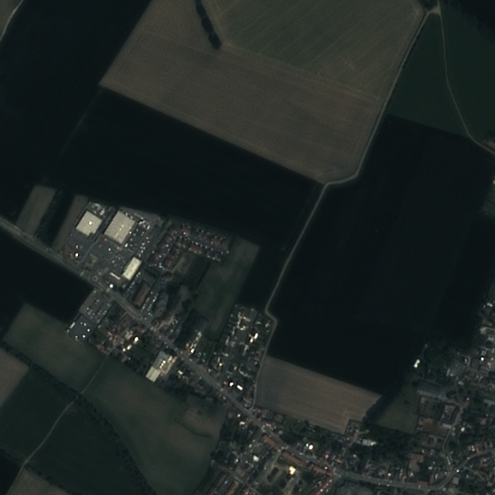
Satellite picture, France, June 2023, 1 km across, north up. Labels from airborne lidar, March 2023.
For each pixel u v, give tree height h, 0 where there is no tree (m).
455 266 0
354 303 0
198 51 0
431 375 14
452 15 0
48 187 0
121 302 0
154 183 0
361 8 0
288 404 0
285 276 0
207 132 0
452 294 0
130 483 0
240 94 0
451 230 0
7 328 0
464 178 0
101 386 0
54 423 0
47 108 0
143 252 0
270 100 0
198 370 0
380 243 0
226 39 0
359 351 0
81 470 0
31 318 0
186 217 0
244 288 0
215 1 0
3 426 0
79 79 0
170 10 0
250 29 0
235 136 0
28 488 0
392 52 0
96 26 0
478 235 0
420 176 0
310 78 0
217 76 0
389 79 0
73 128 0
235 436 7
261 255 0
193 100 0
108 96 0
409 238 0
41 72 0
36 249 0
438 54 0
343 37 0
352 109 0
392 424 0
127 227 0
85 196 0
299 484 6
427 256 0
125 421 0
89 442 0
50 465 0
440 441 7
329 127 0
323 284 0
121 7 0
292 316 0
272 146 0
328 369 0
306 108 0
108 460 0
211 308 0
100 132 0
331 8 0
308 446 0
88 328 0
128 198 0
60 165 0
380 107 0
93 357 0
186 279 0
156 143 0
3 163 0
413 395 0
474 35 0
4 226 0
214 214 0
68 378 0
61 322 0
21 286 0
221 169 0
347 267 0
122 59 0
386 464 0
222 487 0
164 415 0
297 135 0
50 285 0
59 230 0
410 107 0
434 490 0
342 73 0
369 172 0
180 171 0
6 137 0
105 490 0
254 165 0
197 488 0
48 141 0
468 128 0
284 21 0
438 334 0
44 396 0
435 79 0
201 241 0
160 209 0
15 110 0
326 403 0
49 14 0
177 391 12
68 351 0
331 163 0
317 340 0
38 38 0
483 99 0
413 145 0
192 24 0
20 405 0
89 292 0
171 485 0
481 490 0
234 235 0
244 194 0
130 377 0
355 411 0
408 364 0
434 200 0
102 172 0
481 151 0
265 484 0
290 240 0
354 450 8
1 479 0
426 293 0
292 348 0
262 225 0
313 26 0
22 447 0
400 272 0
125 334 0
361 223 0
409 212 0
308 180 0
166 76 0
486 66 0
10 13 0
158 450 0
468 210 0
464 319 0
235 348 0
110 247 0
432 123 0
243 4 0
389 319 0
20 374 0
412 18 0
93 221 0
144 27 0
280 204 0
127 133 0
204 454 0
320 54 0
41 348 0
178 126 0
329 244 0
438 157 0
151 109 0
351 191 0
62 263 0
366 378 0
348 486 0
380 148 0
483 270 0
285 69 0
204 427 0
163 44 0
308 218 0
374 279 0
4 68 0
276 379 0
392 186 0
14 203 0
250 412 0
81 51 0
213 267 0
